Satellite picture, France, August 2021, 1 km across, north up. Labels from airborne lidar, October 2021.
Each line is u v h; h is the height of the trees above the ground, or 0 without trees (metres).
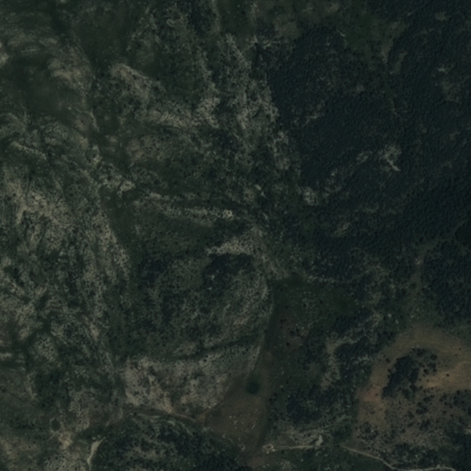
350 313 0
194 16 6
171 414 0
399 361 11
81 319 0
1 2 0
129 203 0
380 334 14
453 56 7
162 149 0
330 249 8
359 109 8
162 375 0
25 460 0
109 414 0
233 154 5
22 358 0
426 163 8
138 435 0
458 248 8
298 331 8
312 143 8
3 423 0
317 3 0
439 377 0
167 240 0
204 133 0
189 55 0
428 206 10
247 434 0
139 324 6
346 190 6
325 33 9
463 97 8
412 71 7
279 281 0
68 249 0
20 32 0
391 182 7
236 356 0
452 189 9
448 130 7
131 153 0
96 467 0
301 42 6
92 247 0
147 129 0
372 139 8
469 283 8
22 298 0
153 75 0
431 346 0
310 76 7
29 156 0
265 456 0
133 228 0
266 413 0
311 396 7
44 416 0
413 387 0
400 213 6
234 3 0
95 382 0
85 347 0
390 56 6
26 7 0
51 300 0
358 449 0
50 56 0
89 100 0
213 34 0
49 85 0
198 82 0
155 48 0
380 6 6
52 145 0
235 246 0
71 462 0
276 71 7
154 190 0
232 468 12
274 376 0
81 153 0
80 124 0
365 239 10
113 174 0
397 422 0
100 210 0
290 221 6
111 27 0
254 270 6
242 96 0
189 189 0
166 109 0
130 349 0
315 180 6
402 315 10
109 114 0
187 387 0
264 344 0
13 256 0
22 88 0
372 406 0
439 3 8
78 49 0
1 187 0
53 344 0
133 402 0
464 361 0
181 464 0
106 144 0
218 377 0
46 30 0
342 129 7
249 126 0
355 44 0
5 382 0
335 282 6
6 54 0
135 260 0
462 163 11
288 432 0
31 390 0
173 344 0
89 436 6
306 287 0
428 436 0
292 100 6
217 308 0
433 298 7
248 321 0
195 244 0
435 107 10
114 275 0
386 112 8
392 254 7
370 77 7
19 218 0
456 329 0
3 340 0
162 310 6
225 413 0
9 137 0
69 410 0
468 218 7
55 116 0
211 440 6
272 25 6
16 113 0
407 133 12
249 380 0
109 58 0
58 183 0
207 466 6
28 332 0
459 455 8
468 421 0
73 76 0
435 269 7
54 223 0
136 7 0
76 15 0
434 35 8
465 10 6
